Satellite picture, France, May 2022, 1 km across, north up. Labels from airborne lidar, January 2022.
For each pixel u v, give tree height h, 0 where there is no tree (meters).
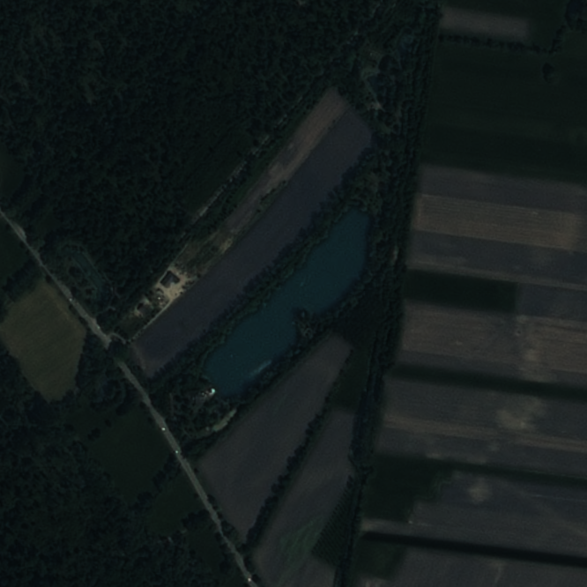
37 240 23
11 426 26
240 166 0
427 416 0
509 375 0
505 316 0
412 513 0
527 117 0
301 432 0
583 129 0
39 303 0
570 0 0
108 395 20
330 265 0
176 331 0
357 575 0
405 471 0
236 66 0
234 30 15
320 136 0
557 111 0
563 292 0
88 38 0
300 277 0
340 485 0
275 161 0
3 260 0
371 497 0
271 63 22
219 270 0
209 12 24
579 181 0
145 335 0
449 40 15
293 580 0
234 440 0
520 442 0
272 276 17
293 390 0
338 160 0
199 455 11
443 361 0
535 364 0
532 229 0
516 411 0
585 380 0
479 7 0
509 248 0
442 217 0
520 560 0
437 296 0
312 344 11
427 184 0
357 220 0
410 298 0
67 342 0
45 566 30
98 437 16
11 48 24
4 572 32
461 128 0
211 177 0
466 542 0
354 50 15
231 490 0
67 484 33
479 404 0
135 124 31
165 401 15
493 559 0
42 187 31
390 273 15
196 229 18
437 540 0
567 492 0
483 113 0
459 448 0
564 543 0
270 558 0
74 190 17
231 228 0
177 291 0
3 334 0
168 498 0
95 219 14
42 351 0
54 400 0
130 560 24
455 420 0
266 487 0
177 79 28
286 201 0
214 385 0
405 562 0
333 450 0
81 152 0
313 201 0
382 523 0
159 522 0
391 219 17
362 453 31
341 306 11
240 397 9
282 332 0
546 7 0
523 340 0
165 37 22
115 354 25
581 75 0
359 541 0
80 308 0
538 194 0
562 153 0
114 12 0
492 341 0
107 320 17
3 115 30
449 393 0
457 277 0
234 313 17
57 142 34
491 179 0
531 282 0
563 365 0
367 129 0
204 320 0
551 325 0
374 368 10
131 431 0
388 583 0
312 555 0
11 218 21
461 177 0
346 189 19
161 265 12
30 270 19
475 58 0
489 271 0
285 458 0
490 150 0
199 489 0
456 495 0
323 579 0
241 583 0
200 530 10
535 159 0
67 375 0
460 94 0
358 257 0
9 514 20
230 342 0
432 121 0
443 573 0
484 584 0
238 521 0
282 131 10
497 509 0
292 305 0
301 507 0
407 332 0
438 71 0
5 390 34
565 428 0
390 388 0
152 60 17
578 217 0
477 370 0
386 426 0
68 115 32
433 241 0
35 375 0
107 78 26
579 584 0
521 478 0
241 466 0
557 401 0
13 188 0
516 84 0
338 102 0
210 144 0
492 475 0
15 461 30
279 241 0
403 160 13
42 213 20
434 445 0
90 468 25
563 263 0
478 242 0
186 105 20
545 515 0
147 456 0
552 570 0
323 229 20
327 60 8
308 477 0
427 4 21
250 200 0
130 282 20
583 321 0
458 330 0
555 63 0
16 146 29
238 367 0
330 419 0
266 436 0
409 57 16
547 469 0
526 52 13
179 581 25
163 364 0
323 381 0
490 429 0
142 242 16
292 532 0
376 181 0
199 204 0
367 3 21
